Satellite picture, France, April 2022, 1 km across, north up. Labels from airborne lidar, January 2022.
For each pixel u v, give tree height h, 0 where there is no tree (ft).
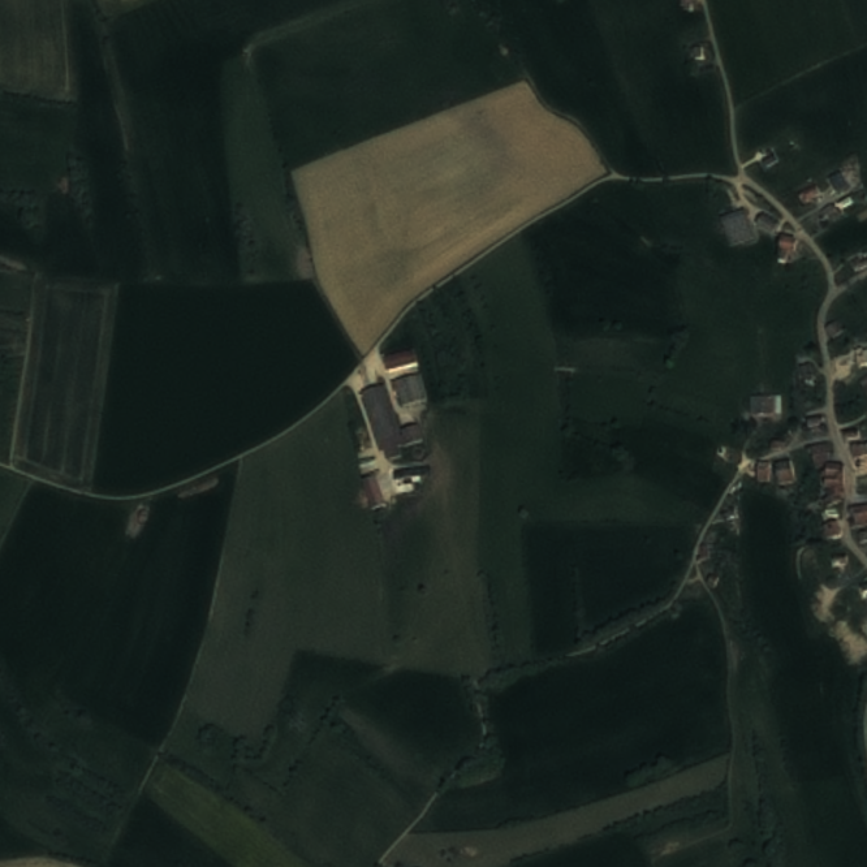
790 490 0
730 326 0
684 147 0
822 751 0
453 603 0
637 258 0
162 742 0
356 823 0
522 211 0
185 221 0
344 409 0
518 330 0
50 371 0
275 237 0
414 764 0
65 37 0
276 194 0
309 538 0
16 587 0
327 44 0
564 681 0
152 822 0
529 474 0
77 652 0
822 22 0
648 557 0
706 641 0
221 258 0
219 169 0
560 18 0
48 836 0
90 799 23
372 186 0
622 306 0
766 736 0
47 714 0
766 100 0
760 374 0
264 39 0
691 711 0
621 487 0
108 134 0
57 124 0
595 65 0
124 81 0
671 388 0
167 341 0
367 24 0
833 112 0
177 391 0
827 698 0
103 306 0
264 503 0
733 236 0
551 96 0
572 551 0
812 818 0
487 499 0
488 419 0
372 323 0
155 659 0
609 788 0
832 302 0
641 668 0
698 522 0
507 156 0
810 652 0
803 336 0
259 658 0
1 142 0
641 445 0
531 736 0
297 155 0
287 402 0
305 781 0
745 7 0
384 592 0
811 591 0
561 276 0
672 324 0
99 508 0
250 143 0
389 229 0
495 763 42
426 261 0
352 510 0
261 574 0
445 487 0
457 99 0
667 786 0
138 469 0
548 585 0
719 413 0
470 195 0
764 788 22
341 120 0
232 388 0
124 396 0
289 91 0
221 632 0
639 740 0
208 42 0
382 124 0
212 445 0
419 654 0
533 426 0
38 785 0
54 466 0
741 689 0
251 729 0
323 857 0
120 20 0
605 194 0
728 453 0
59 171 0
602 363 0
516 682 34
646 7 0
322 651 0
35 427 0
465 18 0
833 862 0
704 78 0
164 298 0
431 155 0
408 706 0
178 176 0
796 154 0
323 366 0
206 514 0
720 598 0
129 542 0
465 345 0
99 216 0
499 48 0
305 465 0
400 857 0
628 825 24
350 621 0
